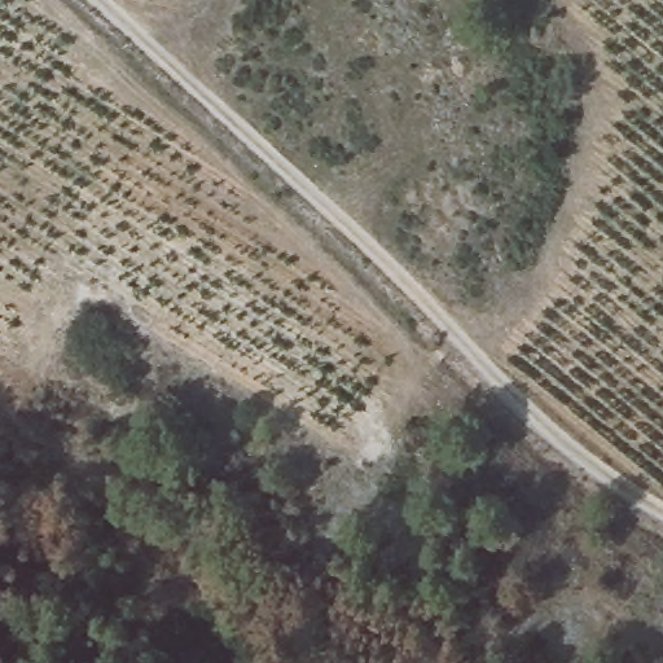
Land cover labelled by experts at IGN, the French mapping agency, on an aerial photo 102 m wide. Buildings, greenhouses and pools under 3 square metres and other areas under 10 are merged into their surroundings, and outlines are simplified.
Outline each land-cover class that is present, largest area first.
<instances>
[{"label":"vineyard","instance_id":"1","mask_svg":"<svg viewBox=\"0 0 663 663\"><path fill-rule=\"evenodd\" d=\"M85 300L114 303L137 326V332L150 339L148 350L142 352V360L150 363L148 381L153 388H168L192 378H202L205 386L215 388L218 396L246 399L256 391L280 388L282 394L275 396L277 407H300V425L308 430V440L316 448V453L339 458L334 469L324 471L308 487L311 500H326V510L332 513L329 526H319V536L329 541L337 539L342 526H350L355 521L357 510L378 495V484L386 479V474L394 471V451L404 445V422L409 417L433 414L438 420H451L458 414L464 396L474 386H484L474 365L448 342L445 332L438 329L433 319H427L407 298V293L357 243H352L339 228H334L332 220L324 218L303 194L287 186L282 176H277L254 150L246 148V142H241L223 122H218L192 93H186L140 47H135V41L122 28H117L88 0H0V383L8 386L13 394L18 388H28L34 383L47 381H60L75 391H83L88 386V404L106 412L109 417L137 412V399L117 404L106 383L83 373L73 376L62 363L67 326L78 316L80 306ZM129 13H135L140 23L150 28L158 44H163L207 88L218 93L230 80L223 73H218L215 62L228 54L241 57V47L236 44L233 34V16L243 10V0H117ZM583 26L585 44L596 57L598 75L590 91L583 96L578 153L567 158L570 189L554 218V225L546 233L539 264L523 272H513L505 262L502 246H495V251L482 259V267H487L484 298H471L466 290L456 285L453 267L420 269L414 275L464 326V332L492 357V363L508 376L510 383L528 386L531 404H536L585 451H590L606 466H611L616 477L635 474L647 484L645 495H655L658 500H663V0H554Z\"/></svg>","mask_w":663,"mask_h":663},{"label":"coniferous trees","instance_id":"2","mask_svg":"<svg viewBox=\"0 0 663 663\"><path fill-rule=\"evenodd\" d=\"M466 41L474 47H484L487 57L495 60V80L477 85L471 93V104L482 114L513 104V114L528 122L531 137L518 140L513 145H495L492 155L461 158L456 166L453 179L469 181L474 186V194L484 197V202H495L492 218L469 212V228L458 236L456 264L464 267L471 277V287L466 290L471 298H484L487 267H482V259L495 251V246H502L505 262L513 272H523L539 264L546 233L554 225V218L570 189L567 158L578 153L583 96L572 91L575 54H546L544 49L531 44V34L502 39L492 34L482 23V0H469L464 13ZM150 339L137 332V326L114 303L85 300L80 306L78 316L67 326L62 363L73 376L83 373L106 383L117 404L137 399V412L109 417L106 412L88 404V386L83 391H75L60 381H47L34 383L28 388H18L13 394L8 386L0 383V663H580L575 658V647L565 642V629L559 622L544 629H531L526 635H518L515 629L534 614V609L541 601L557 596L570 578L567 562L552 552V541H546V531L554 526L557 508L567 497V484L572 474L562 464L546 461L526 440L528 422L495 394L492 386H474L464 396L458 414L451 420H438L433 414L409 417L404 422V445L394 451V471L386 474V479L378 484V495L357 510L355 521L350 526H342L337 539L329 541L319 536V526H329L332 513L326 510V500H311L308 487L324 471L334 469L339 458L316 453V448L308 440V430L300 425V407H277L275 396L282 394L280 388L256 391L246 399L218 396L215 388L205 386L202 378H192L168 388H153L148 381L150 363L142 360V352L148 350Z\"/></svg>","mask_w":663,"mask_h":663},{"label":"herbaceous vegetation","instance_id":"3","mask_svg":"<svg viewBox=\"0 0 663 663\"><path fill-rule=\"evenodd\" d=\"M469 0H243V10L233 16V34L236 44L241 47V57L228 54L215 62L218 73H223L230 80L218 93L256 132H262L295 168H300L347 215H352L365 230H370V236L378 243H383L414 275L420 269L453 267L456 285L466 290L471 287V277L464 267L456 264L458 236L469 228V212L492 218L495 202H484V197L474 194V186L469 181L453 179L456 166L461 158L492 155L495 145H513L518 140L531 137L528 122L513 114V104L482 114L471 104V93L477 85L495 80V60L487 57L484 47H474L466 41L464 13ZM482 23L492 34L502 39L531 34V44L544 49L546 54H575L572 91L583 96L590 91L598 75L596 57L585 44L583 26L554 0H482Z\"/></svg>","mask_w":663,"mask_h":663},{"label":"bare soil","instance_id":"4","mask_svg":"<svg viewBox=\"0 0 663 663\"><path fill-rule=\"evenodd\" d=\"M572 474L567 484V497L557 508L554 526L546 531V541H552V552L567 562L570 578L557 596L541 601L534 609V614L515 629L518 635H526L531 629H544L559 622L565 629V642L575 647V658L580 663H663V523L629 505L619 508L609 518L603 513L601 497L596 495L603 482L588 477L578 466L567 469Z\"/></svg>","mask_w":663,"mask_h":663},{"label":"pervious surface","instance_id":"5","mask_svg":"<svg viewBox=\"0 0 663 663\"><path fill-rule=\"evenodd\" d=\"M117 28H122L135 41V47H140L186 93H192L218 122H223L241 142H246V148L254 150L277 176H282L287 186L303 194L324 218L332 220L334 228H339L352 243H357L407 293V298L427 319H433L438 329L445 332L448 342L474 365L484 386H492L495 394L528 422L526 440L546 461L562 464L567 469L578 466L588 477L603 482L596 495L601 497L603 513L609 518L619 508L629 505L663 523V500H658L655 495H645L647 484L635 474L616 477L611 466H606L590 451H585L536 404H531L528 386L510 383L508 376L492 363V357L464 332V326L414 275L383 243H378L370 236V230H365L352 215H347L300 168H295L262 132H256L218 93L207 88L163 44H158L150 28L140 23L135 13H129L117 0H88Z\"/></svg>","mask_w":663,"mask_h":663}]
</instances>
